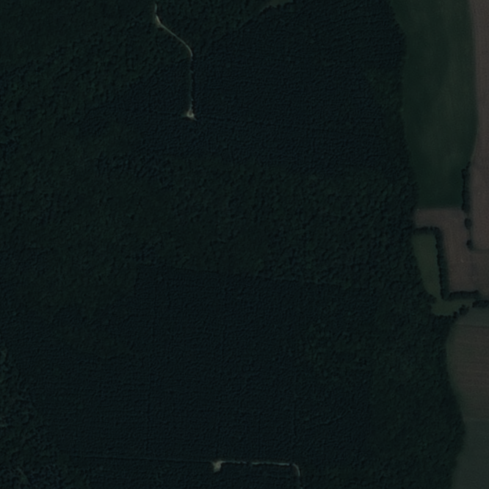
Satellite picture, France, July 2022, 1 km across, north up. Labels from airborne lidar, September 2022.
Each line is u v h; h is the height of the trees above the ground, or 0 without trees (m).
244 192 16
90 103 20
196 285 22
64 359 20
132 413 24
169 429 22
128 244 18
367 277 8
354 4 15
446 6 0
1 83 28
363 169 19
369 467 16
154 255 29
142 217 21
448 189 0
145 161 27
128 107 22
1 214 21
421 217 0
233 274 18
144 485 15
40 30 22
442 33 0
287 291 21
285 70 19
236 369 22
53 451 19
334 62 21
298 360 18
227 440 23
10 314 22
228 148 18
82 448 22
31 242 16
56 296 22
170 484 19
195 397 24
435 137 0
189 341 20
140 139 19
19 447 18
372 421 18
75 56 15
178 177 17
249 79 23
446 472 20
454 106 0
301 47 20
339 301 13
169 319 24
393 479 22
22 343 23
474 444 0
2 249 21
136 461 17
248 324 22
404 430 20
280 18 18
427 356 20
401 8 0
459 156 0
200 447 21
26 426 19
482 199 0
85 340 19
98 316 22
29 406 20
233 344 20
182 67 18
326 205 19
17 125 19
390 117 19
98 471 10
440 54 0
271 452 21
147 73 17
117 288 17
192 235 20
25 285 21
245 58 21
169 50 16
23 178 19
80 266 19
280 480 17
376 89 17
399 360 16
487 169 0
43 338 21
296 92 23
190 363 24
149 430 22
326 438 12
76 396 23
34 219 20
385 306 17
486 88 0
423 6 0
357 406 16
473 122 0
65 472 19
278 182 19
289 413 18
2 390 16
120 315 18
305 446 14
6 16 19
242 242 21
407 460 15
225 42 18
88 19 20
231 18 15
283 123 23
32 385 21
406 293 16
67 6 19
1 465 19
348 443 16
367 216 18
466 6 0
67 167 16
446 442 17
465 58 0
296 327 21
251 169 17
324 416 12
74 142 20
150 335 22
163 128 26
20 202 19
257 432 17
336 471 14
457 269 0
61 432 21
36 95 17
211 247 16
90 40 18
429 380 21
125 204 19
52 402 22
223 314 23
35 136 18
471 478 0
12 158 21
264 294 21
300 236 15
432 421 17
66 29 20
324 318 17
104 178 19
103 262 18
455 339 0
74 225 18
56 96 20
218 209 20
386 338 16
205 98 20
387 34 18
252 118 21
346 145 21
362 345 14
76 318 22
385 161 23
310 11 20
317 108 22
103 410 23
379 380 17
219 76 21
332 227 19
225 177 19
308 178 22
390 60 19
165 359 23
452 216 0
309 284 18
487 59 0
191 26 18
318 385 16
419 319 19
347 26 15
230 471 19
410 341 14
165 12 18
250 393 19
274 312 25
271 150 25
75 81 21
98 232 18
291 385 20
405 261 19
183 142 25
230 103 22
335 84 22
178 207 17
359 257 17
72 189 18
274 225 17
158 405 21
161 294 23
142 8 17
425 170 0
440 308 0
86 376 22
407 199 23
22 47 21
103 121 26
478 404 0
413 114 0
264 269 14
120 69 19
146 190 18
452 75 0
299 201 18
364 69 17
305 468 14
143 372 22
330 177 20
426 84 0
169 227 22
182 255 20
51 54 20
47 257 25
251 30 19
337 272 8
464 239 0
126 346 20
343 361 17
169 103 22
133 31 21
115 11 18
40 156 13
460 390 0
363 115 22
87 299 19
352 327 15
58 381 23
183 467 14
